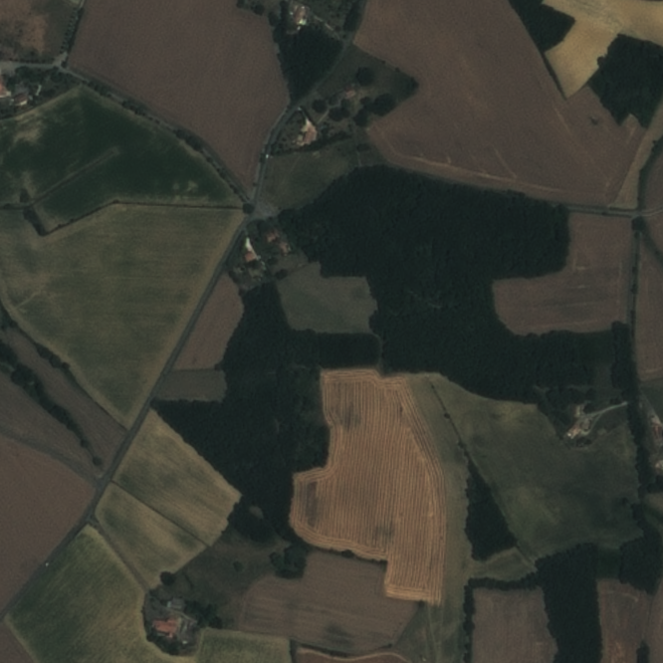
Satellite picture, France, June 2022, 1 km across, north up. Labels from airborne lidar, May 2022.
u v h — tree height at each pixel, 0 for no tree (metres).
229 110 0
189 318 0
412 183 7
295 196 0
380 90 0
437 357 12
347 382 0
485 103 0
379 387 0
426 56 0
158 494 0
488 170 0
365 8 0
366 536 0
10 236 0
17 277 0
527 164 0
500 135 0
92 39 0
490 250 17
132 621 0
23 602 0
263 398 10
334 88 0
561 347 18
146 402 0
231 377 9
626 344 15
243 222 0
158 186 0
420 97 0
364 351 8
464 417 0
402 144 0
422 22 0
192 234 0
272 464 14
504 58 0
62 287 0
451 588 0
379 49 0
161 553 0
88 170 0
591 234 0
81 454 0
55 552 0
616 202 0
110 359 0
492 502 16
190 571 0
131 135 0
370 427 0
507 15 0
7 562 0
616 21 0
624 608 0
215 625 15
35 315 0
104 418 0
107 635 0
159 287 0
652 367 0
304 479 0
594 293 0
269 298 16
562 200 0
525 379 15
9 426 0
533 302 0
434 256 17
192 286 0
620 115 5
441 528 0
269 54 0
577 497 0
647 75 18
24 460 0
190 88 0
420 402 0
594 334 0
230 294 0
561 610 17
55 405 7
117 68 0
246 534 16
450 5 0
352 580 0
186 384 0
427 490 0
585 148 0
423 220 18
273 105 0
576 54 0
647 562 16
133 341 0
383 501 0
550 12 13
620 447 0
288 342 14
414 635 0
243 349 13
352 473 0
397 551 0
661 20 0
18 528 0
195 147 16
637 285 8
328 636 0
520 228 15
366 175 13
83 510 0
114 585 0
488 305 13
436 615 0
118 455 0
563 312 0
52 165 0
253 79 0
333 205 13
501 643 0
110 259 0
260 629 0
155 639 8
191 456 0
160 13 0
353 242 14
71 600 0
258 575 0
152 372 0
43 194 0
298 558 16
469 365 14
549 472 0
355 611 0
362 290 0
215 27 0
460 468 0
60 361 10
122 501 0
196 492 0
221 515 0
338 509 0
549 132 0
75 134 0
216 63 0
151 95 0
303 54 14
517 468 0
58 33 0
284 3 14
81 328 0
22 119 0
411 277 13
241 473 14
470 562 0
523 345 19
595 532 0
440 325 13
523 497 0
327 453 11
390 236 15
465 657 8
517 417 0
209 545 0
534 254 19
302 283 0
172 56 0
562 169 0
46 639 0
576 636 15
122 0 0
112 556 0
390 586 0
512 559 0
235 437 13
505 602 0
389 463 0
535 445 0
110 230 0
